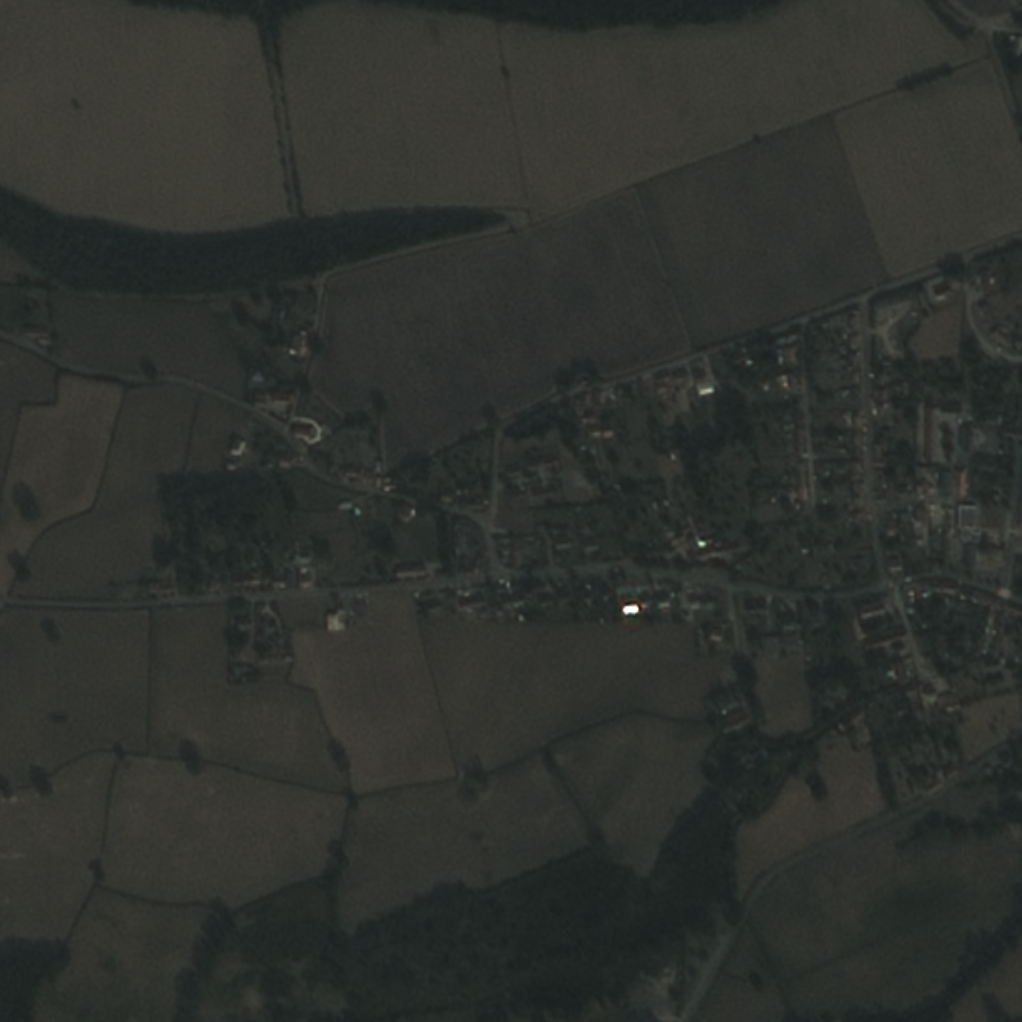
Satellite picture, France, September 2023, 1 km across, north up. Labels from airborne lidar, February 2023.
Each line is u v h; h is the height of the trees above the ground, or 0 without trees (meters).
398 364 0
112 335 0
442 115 0
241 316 15
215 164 0
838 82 0
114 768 0
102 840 0
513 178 0
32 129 0
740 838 0
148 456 0
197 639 0
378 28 0
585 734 0
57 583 0
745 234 0
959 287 0
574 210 0
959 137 0
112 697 0
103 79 0
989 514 0
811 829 0
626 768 0
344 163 0
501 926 11
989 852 0
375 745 0
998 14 0
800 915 0
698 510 6
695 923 25
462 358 0
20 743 0
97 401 0
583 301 0
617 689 0
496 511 0
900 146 0
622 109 0
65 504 0
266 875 0
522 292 0
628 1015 0
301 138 0
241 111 0
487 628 0
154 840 0
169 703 0
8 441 0
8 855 0
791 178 0
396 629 0
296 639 0
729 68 0
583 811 0
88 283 16
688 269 0
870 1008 0
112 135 0
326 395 0
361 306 0
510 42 0
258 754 0
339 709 0
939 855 0
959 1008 0
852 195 0
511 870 0
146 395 0
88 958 0
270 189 0
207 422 0
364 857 0
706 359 0
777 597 0
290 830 0
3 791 14
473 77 0
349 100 0
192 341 0
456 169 0
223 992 0
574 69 0
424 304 0
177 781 0
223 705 0
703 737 0
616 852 0
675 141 0
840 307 0
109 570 0
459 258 0
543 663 0
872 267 0
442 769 0
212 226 0
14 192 0
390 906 0
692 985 0
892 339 0
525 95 0
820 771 0
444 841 0
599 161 0
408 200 0
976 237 0
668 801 0
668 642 0
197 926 0
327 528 0
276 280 12
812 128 0
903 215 0
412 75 0
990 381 9
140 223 0
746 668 19
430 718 0
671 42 0
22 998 21
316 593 0
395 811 0
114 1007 0
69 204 0
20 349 0
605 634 0
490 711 0
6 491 0
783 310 0
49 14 0
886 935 0
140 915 0
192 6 13
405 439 0
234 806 0
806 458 0
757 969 0
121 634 0
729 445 12
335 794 0
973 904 0
